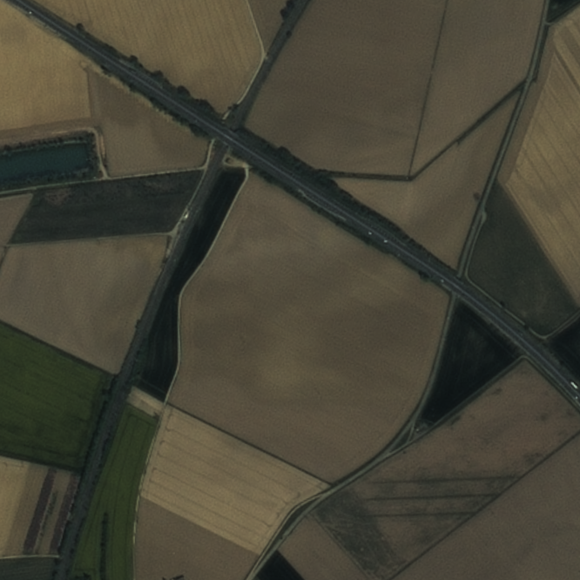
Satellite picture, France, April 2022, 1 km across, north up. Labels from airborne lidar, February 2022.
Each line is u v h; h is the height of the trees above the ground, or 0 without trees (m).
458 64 0
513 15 0
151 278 0
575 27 0
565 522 0
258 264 0
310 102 0
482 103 0
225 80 0
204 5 0
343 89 0
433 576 0
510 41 0
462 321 0
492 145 0
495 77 0
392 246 0
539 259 0
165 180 0
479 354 0
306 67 0
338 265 0
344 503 0
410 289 0
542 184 0
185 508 0
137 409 0
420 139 0
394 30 0
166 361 0
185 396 0
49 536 0
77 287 0
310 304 0
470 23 0
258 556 0
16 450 0
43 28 0
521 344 0
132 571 0
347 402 0
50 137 0
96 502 0
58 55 0
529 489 0
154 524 0
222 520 0
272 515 0
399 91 0
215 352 0
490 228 0
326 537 0
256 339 0
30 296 0
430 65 0
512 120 0
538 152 0
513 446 0
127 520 0
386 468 0
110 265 0
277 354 0
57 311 0
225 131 0
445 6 0
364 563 0
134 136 0
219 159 0
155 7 0
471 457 0
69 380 0
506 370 0
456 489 0
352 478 0
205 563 0
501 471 0
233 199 0
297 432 0
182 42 0
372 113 0
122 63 0
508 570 0
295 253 0
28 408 0
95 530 0
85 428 0
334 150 0
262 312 0
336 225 7
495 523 0
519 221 0
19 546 0
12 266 0
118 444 0
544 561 0
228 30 0
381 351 0
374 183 0
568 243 0
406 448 0
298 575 0
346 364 0
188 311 0
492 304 0
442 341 0
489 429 0
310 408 0
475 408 0
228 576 0
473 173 0
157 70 0
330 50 0
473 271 0
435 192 0
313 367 0
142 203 0
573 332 0
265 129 0
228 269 0
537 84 0
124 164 0
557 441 0
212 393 0
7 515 0
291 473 0
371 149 0
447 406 0
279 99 0
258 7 0
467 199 0
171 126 0
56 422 0
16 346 0
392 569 0
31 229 0
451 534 0
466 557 0
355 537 0
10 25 0
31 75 0
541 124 0
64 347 0
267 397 0
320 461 0
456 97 0
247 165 0
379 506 0
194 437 0
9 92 0
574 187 0
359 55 0
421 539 0
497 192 0
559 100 0
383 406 0
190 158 0
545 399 0
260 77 0
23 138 0
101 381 0
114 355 0
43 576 0
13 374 0
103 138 0
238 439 0
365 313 0
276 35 0
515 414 0
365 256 0
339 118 0
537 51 0
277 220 0
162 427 0
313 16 0
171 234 0
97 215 0
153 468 0
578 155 0
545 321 0
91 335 0
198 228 0
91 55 0
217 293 0
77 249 0
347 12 0
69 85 0
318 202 0
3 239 0
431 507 0
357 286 0
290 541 0
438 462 0
